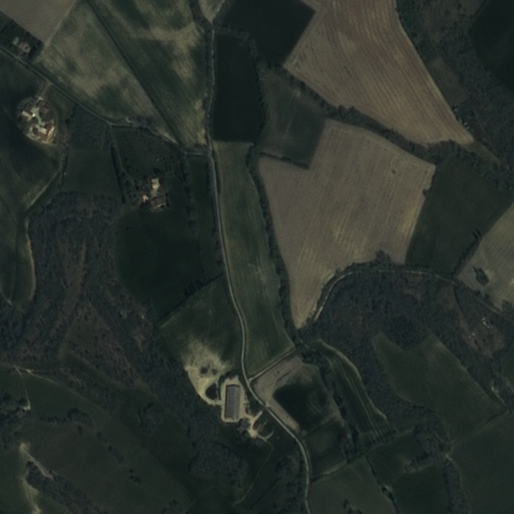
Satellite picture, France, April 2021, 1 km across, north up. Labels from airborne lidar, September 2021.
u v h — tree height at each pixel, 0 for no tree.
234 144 0
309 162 0
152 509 0
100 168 0
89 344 0
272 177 0
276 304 0
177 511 14
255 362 0
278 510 16
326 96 0
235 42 0
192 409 16
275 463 0
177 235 0
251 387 0
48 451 0
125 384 11
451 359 0
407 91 0
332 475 0
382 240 0
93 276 17
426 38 7
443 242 0
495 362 8
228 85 0
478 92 12
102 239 8
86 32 0
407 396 0
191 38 0
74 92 0
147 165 0
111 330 10
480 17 0
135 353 11
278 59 0
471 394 0
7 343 11
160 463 0
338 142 0
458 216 0
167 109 0
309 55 0
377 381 21
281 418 0
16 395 0
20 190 0
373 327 11
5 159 0
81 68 0
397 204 0
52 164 0
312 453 0
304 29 0
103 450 0
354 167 0
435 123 0
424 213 0
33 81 0
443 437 15
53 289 6
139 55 0
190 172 14
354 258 0
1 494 0
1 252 0
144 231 0
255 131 0
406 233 0
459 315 0
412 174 0
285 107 0
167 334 0
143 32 0
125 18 0
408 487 0
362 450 20
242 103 0
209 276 0
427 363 0
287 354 0
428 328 14
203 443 21
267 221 11
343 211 0
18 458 0
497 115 9
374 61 0
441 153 19
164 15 0
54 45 0
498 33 0
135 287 0
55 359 15
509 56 0
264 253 0
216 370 0
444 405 0
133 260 0
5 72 0
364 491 0
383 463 0
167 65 0
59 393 0
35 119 11
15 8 0
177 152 17
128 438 0
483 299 7
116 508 0
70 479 0
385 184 0
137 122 14
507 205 0
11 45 7
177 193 0
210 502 0
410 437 0
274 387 0
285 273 16
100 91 0
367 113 0
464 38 12
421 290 7
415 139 0
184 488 0
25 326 13
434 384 0
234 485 12
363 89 0
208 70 11
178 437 0
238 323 0
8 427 19
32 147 0
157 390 13
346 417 30
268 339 0
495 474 0
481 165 23
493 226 0
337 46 0
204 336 0
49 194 0
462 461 0
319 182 0
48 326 11
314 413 0
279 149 0
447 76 0
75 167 0
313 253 0
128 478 0
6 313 10
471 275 0
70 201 8
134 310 7
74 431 0
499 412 0
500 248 0
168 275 0
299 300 0
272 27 0
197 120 0
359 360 7
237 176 0
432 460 16
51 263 10
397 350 0
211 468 19
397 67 0
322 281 0
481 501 0
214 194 17
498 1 0
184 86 0
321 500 0
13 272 0
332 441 0
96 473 0
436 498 0
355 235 0
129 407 0
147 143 0
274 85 0
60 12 0
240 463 25
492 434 0
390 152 0
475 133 8
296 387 0
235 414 0
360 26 0
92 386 15
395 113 0
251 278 0
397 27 0
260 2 0
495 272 0
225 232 0
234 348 0
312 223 0
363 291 10
